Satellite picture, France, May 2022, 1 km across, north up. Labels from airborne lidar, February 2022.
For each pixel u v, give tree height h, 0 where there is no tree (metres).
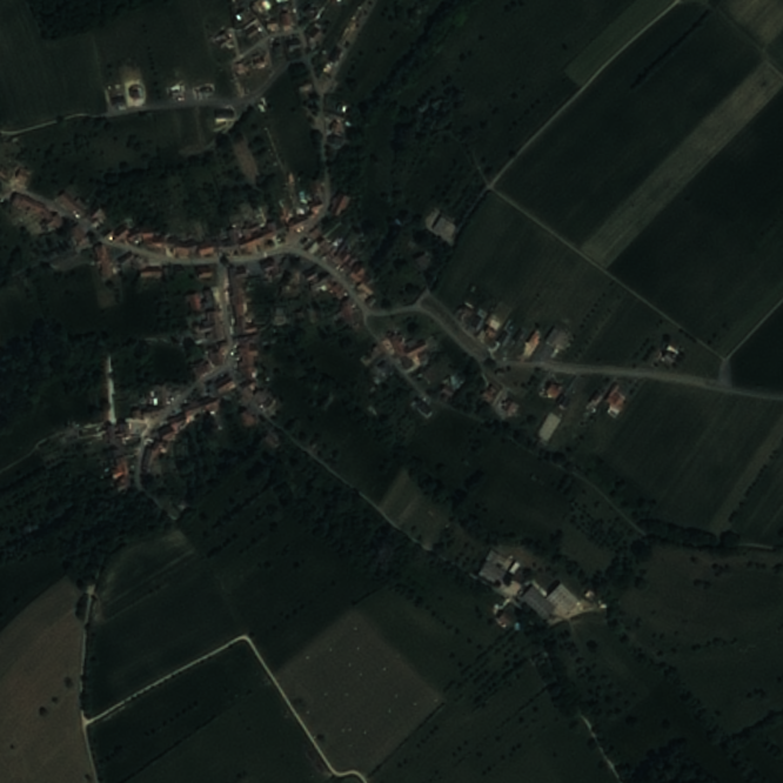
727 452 0
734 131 0
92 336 8
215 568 0
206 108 0
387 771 0
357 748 0
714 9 0
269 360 0
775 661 0
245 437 0
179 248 0
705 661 0
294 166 0
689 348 0
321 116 0
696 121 0
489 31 0
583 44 0
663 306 0
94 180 9
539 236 0
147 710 0
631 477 0
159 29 0
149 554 0
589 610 0
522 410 0
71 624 0
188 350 16
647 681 0
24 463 0
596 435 0
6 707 0
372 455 0
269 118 0
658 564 0
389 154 0
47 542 13
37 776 0
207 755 0
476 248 0
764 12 0
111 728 0
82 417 0
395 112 17
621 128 0
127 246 0
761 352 0
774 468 0
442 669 0
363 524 8
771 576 0
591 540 7
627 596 0
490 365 12
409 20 8
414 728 0
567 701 13
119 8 20
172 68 0
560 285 0
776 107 0
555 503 0
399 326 0
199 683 0
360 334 0
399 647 0
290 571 0
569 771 0
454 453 0
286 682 0
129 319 0
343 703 0
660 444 0
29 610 0
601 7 0
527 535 0
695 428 0
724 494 0
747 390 0
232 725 0
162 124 0
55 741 0
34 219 0
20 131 0
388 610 0
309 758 0
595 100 0
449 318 0
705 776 23
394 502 0
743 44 0
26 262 13
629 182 0
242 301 0
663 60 6
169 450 0
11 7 0
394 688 0
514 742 0
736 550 8
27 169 5
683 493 0
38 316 0
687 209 0
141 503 14
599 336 0
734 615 0
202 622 0
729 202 0
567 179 0
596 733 11
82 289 0
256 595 0
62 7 20
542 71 0
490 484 0
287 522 0
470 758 0
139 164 0
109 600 0
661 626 0
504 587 0
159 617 0
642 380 0
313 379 7
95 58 0
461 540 0
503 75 0
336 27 0
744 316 0
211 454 9
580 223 0
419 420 0
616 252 0
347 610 0
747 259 0
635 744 0
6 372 37
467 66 0
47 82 0
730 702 0
